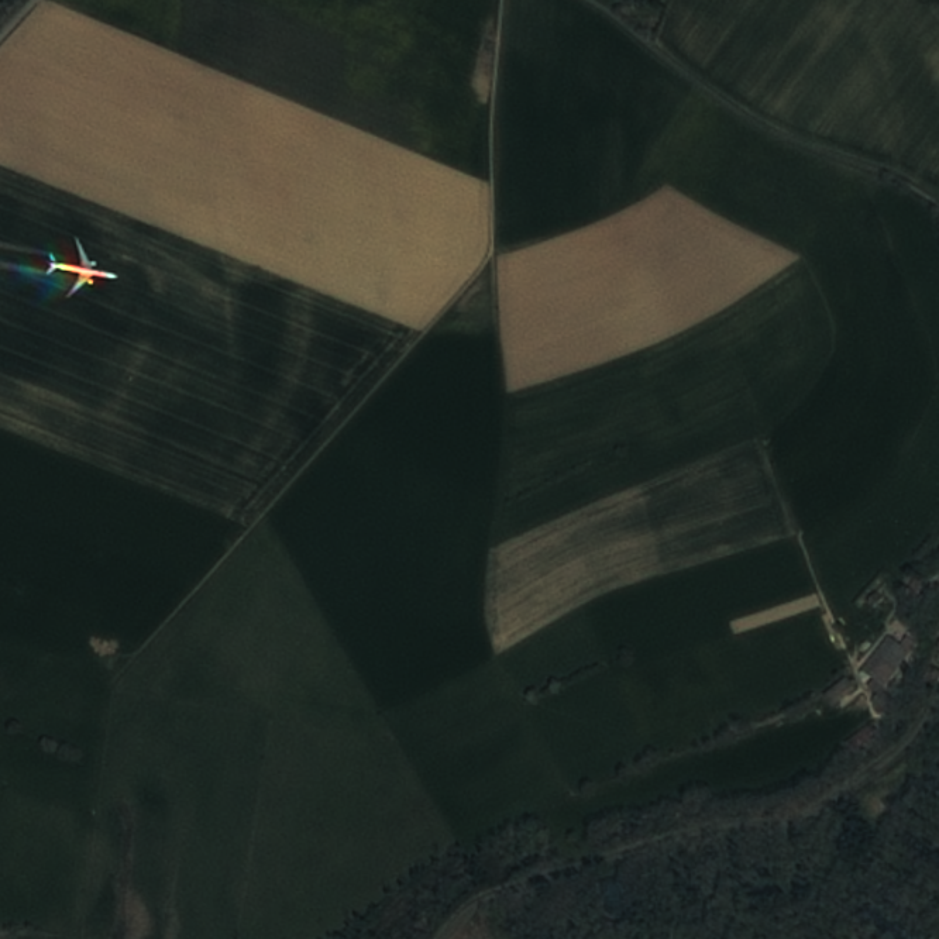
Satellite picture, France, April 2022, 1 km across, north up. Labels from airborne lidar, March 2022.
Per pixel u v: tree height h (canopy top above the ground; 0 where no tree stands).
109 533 0
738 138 0
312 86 0
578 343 0
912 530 0
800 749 0
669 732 0
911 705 25
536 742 0
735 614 0
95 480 0
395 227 0
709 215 0
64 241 0
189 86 0
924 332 0
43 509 0
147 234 0
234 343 0
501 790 0
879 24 0
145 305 0
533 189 0
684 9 0
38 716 0
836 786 24
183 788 0
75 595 0
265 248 0
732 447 0
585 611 0
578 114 0
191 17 0
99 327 0
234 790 0
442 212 0
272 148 0
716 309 0
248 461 0
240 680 0
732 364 0
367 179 0
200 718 0
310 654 0
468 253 0
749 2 0
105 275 0
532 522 0
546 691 7
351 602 0
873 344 0
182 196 0
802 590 0
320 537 0
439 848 0
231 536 0
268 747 0
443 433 0
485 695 0
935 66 0
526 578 0
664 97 0
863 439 0
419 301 0
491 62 0
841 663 0
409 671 0
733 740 22
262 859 0
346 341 0
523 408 0
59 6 0
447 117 0
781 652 0
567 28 0
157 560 0
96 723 0
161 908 0
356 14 0
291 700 0
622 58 0
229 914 0
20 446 0
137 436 0
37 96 0
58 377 0
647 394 0
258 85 0
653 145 0
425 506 0
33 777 0
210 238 0
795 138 0
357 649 0
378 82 0
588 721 0
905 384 0
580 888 17
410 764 0
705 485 0
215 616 0
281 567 0
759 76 0
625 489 0
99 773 0
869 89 0
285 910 0
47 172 0
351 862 0
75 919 0
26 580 0
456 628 0
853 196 0
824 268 0
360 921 17
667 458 0
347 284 0
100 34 0
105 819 0
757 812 27
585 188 0
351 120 0
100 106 0
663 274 0
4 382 0
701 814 20
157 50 0
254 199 0
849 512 0
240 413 0
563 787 0
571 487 0
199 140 0
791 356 0
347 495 0
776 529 0
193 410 0
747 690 0
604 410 0
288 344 0
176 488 0
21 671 0
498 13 0
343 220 0
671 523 0
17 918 0
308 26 0
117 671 0
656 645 0
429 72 0
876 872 23
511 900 21
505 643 0
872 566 0
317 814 0
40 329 0
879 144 0
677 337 0
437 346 0
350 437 0
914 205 0
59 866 0
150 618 0
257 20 0
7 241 0
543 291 0
